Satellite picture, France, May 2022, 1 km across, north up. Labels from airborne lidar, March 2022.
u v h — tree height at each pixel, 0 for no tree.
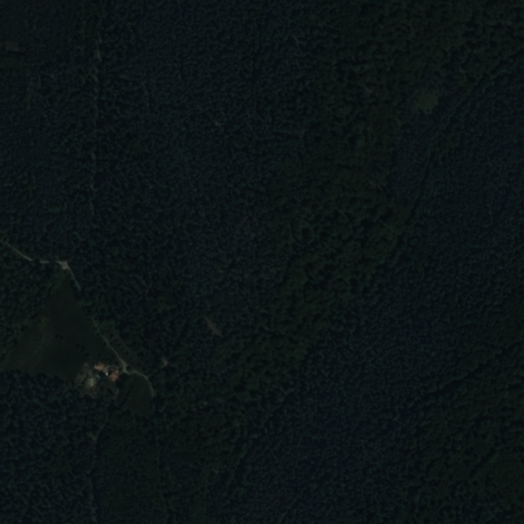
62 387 15
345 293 33
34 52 16
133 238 33
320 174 25
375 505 32
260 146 29
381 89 34
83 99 32
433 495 20
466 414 33
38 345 0
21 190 24
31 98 24
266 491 28
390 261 33
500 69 20
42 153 26
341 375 34
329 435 31
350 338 35
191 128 30
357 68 30
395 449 28
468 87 23
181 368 28
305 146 30
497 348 28
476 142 29
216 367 29
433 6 29
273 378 34
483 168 19
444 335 30
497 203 28
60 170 30
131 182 33
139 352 9
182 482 23
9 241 28
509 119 20
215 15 31
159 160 29
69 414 27
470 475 26
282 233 26
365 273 28
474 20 38
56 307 0
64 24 18
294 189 29
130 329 32
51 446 34
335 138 31
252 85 28
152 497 21
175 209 27
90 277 26
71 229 32
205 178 11
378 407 27
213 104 28
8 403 13
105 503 21
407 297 33
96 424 22
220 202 11
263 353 37
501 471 22
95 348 0
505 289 25
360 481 35
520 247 27
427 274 25
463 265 29
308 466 25
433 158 24
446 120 30
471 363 32
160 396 19
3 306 23
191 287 26
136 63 30
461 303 23
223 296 23
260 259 26
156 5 25
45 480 30
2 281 28
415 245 29
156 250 12
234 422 36
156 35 27
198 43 28
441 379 32
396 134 27
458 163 27
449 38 35
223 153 14
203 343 25
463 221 21
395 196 32
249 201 27
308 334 35
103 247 34
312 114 33
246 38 28
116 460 19
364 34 32
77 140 27
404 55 28
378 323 35
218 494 26
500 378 30
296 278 39
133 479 23
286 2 32
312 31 31
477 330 28
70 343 0
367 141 26
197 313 23
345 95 19
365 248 38
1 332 26
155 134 24
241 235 29
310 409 37
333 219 31
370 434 27
